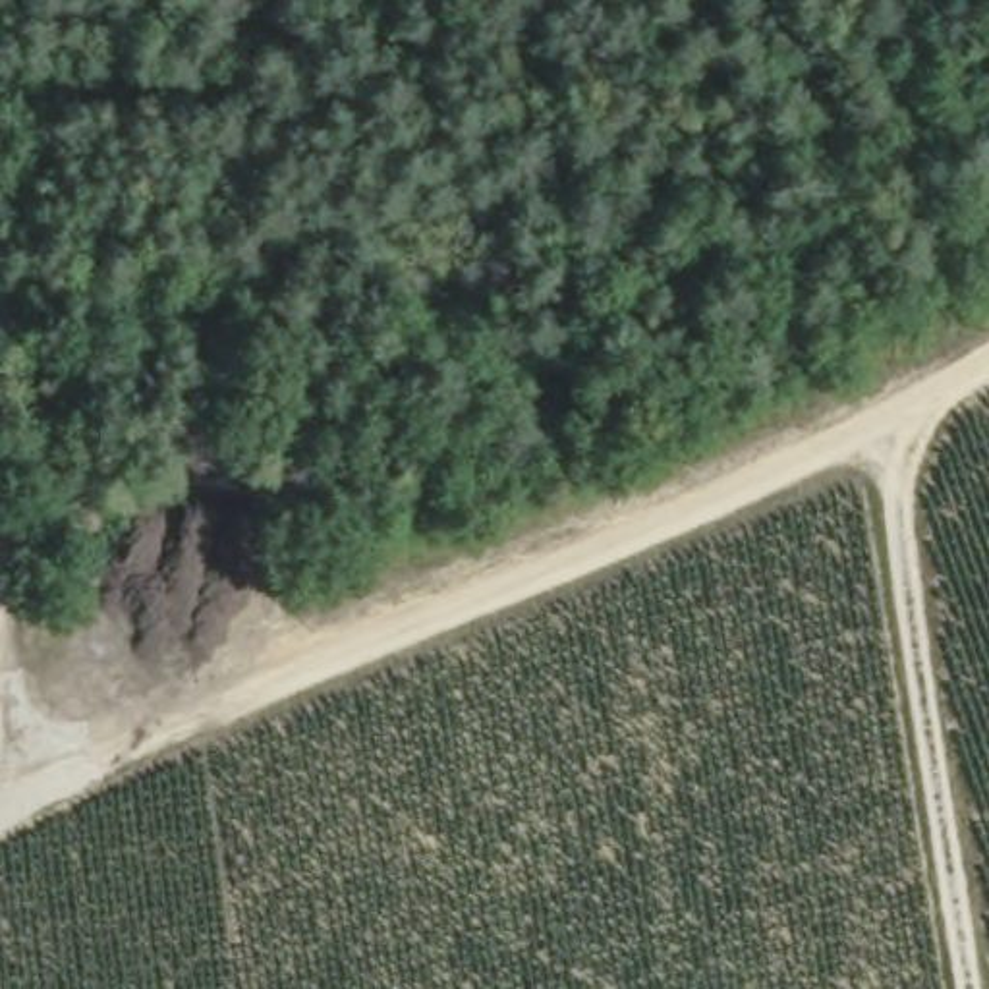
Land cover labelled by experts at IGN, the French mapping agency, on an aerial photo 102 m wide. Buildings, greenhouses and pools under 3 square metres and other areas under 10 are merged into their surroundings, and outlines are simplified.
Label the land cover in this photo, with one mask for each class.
<instances>
[{"label":"coniferous trees","instance_id":"1","mask_svg":"<svg viewBox=\"0 0 989 989\"><path fill-rule=\"evenodd\" d=\"M989 8V0H0V429L8 402H35V417L42 421L46 467L70 495V506L62 514L70 529H100V514H93V506L100 502L127 518L151 506H174L189 495L201 506V514L216 502L228 510H247L255 529L251 537L263 549L267 529L278 514L297 506L321 510L332 502V495H325V487L313 479L325 437H340L344 448H355L367 425L371 398L386 382L421 379L429 390L437 386L440 406L433 413L444 421V429L479 425L483 402L495 390V382L483 379L475 386H464L467 379L456 359L467 355L471 332L479 325L498 336V352L522 375L537 382V425L552 440L560 467H572L576 440L568 437L564 421L576 417L587 402V386L626 367L630 348L641 336L684 332L692 344H707V305L730 297V243H711L692 263H684L661 236L688 209L692 193H734L738 209L749 220H769V205L788 209L834 193L846 205L873 201V212L885 216L892 228L889 240L896 247L908 232V220H931L958 197L966 158L989 166V124H974L958 135L947 124H939L943 104L935 93V77L943 54L974 46V23ZM892 104L908 112L912 143L900 151L904 170L892 174L873 197L854 178V155L862 143L858 124L889 116ZM626 267H641L649 274V286L637 294L630 309H618L610 317L591 313L587 297L603 294ZM390 286L402 294H425V305L437 317V328L452 352V363H444L440 375L429 359H406L398 332H375V309L386 305ZM290 317L305 325L313 321L325 344L355 340L363 355L375 352L382 367L355 390H348L340 379L352 367L344 363V355H332L328 367L313 375L305 386L309 417L297 425L286 460L267 456L263 464H247L243 475H232L228 460L220 456V437L232 421V406L251 398V348L263 325H290ZM908 278H900L892 267H873L865 240L850 224H838L827 236L804 243L796 255V297L788 325L796 371L811 367L815 344L823 336H850L858 313H865L869 305L904 301ZM908 278L923 282L927 290H962V240H954L947 228L935 236L923 228L908 255ZM421 479L417 471H402L394 479V491L382 498L386 522L406 514L413 518Z\"/></svg>","mask_w":989,"mask_h":989},{"label":"vineyard","instance_id":"2","mask_svg":"<svg viewBox=\"0 0 989 989\"><path fill-rule=\"evenodd\" d=\"M916 545L923 564V607L935 653V684L954 780V815L962 831V862L970 881L977 966L985 989H989V390L947 413V421L935 429L927 464L916 479ZM0 989H954L931 823L916 753V726L908 707L900 626L892 603L885 502L877 479L862 467H827L711 525H699L695 533L645 549L622 564L572 579L556 591L533 595L525 603H514L506 610H495L487 618H475L467 626L444 630L413 649L390 653L375 664L305 688L282 703H270L259 715L240 719L232 726L197 730L189 742L166 746L143 769L85 792L62 811H42L35 823L0 838Z\"/></svg>","mask_w":989,"mask_h":989},{"label":"deciduous trees","instance_id":"3","mask_svg":"<svg viewBox=\"0 0 989 989\"><path fill-rule=\"evenodd\" d=\"M935 93L943 104L939 124H947L958 135L974 124H989V8L974 23V46L943 54L935 77ZM862 143L854 155V178L873 197L892 174L904 170L900 151L912 143L908 112L892 104L889 116L858 124ZM838 224H850L865 240L873 267H892L900 278H908V255L923 228L935 236L947 228L954 240H962V290H927L923 282L908 278L904 301L869 305L865 313H858L850 336H823L815 344L811 367L796 371L788 325L796 297V255L804 243L827 236ZM892 228L885 216L873 212V201L846 205L834 193L788 209L769 205V220H749L738 209L734 193H692L688 209L661 236L684 263H692L711 243H730V297L707 305V344H692L684 332L641 336L630 348L626 367L587 386V402L576 417L564 421L568 437L576 440L572 467H560L552 440L537 425V382L522 375L498 352V336L479 325L471 332L467 355L456 359L467 379L464 386H475L483 379L495 382V390L483 402L479 425L444 429V421L433 413L440 406L437 386L429 390L421 379L386 382L371 398L367 425L355 448H344L340 437H325L313 479L325 487V495H332V502L321 510L297 506L278 514L267 529L263 549L267 587L259 595L274 599L294 618H332V610H340L352 599H367L382 576L406 564H413V572L421 576L452 564L456 556H483L487 549H498L537 529L545 522L541 510H549L552 518H568L587 514L603 498L657 491L680 467L738 452L784 429H815L827 410L862 406L865 398L885 390V382L962 359L970 348L989 340V166L966 158L958 197L931 220H908V232L896 247L889 240ZM402 471H417L421 479L413 518L406 514L386 522L382 498L394 491V479ZM649 286V274L641 267H626L603 294L587 297L591 313L610 317L618 309H630L637 294ZM375 332H398L406 359H429L440 375L444 363H452V352L437 328V317L425 305V294H402L390 286L386 305L375 309ZM332 355H344V363L352 367L340 379L348 390H355L382 367L375 352L363 355L355 340L325 344L313 321L305 325L290 317V325H263L251 348V398L232 406V421L220 437V456L228 460L232 475H243L247 464H263L267 456L286 460L297 425L309 417L305 386L313 375L328 367ZM70 506V495L46 467L42 421L35 417V402H8L0 429V610L46 626L50 634H73L77 626H93L100 618V579L108 568V549L127 529V518L100 502L93 506V514H100V529H70L62 514Z\"/></svg>","mask_w":989,"mask_h":989},{"label":"pervious surface","instance_id":"4","mask_svg":"<svg viewBox=\"0 0 989 989\"><path fill-rule=\"evenodd\" d=\"M989 390V340L970 348L962 359L885 382V390L865 398L862 406L827 410L815 429H784L738 452L680 467L657 491L603 498L587 514L568 518H552L549 510H541L545 522L537 529L498 549H487L483 556H456L452 564L421 576L413 572V564H406L382 576L367 599H352L340 610H332V618H294L274 599L259 595L267 587L263 549L251 537L255 529L247 510H228L216 502L201 514V506L189 495L174 506H151L127 518V529L108 549V568L100 579V618L93 626H77L73 634H50L46 626L0 610V838L35 823L42 811H62L85 792L143 769L166 746L189 742L197 730L232 726L240 719L259 715L270 703H282L305 688L375 664L390 653L413 649L444 630L467 626L475 618H487L495 610H506L514 603H525L533 595L556 591L572 579L622 564L645 549L695 533L699 525H711L827 467H862L877 479L885 502L892 603L900 626L908 707L916 726V753L931 823L954 989H985L977 966L970 881L962 862V831L954 815V780L935 684V653L923 607V564L916 545V479L927 464L935 429L947 421V413Z\"/></svg>","mask_w":989,"mask_h":989}]
</instances>
